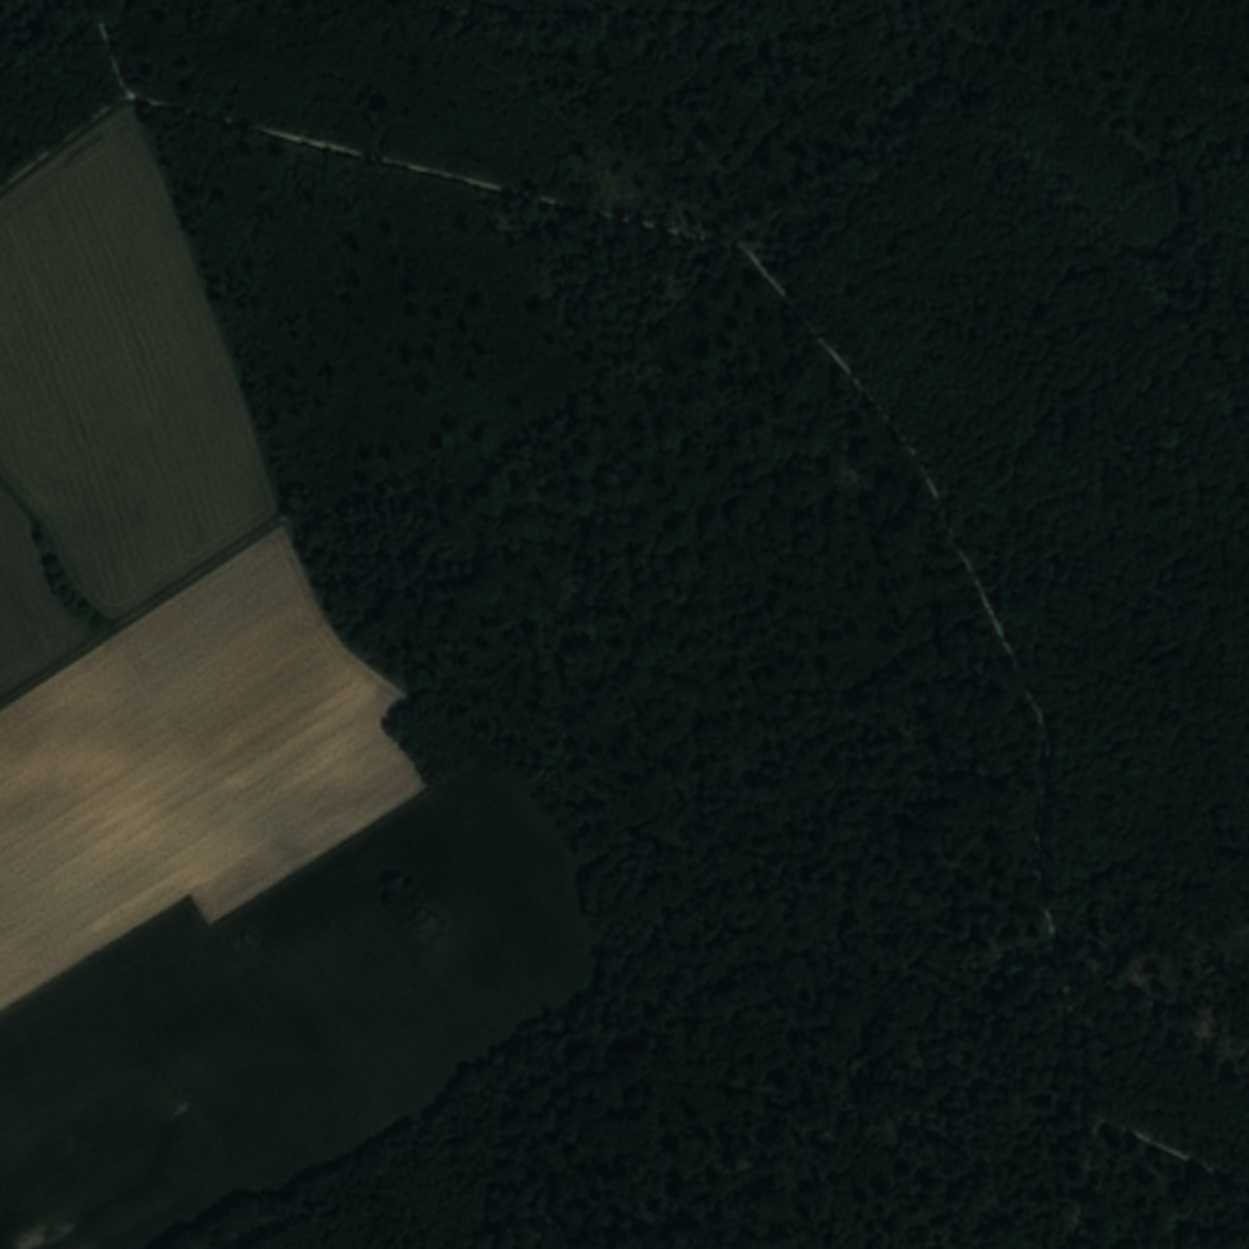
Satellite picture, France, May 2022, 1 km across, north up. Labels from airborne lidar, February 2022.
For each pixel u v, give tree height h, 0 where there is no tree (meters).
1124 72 12
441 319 23
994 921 24
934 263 25
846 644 22
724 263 23
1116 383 27
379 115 29
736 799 23
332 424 7
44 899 0
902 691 26
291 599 0
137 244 0
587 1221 31
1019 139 26
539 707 22
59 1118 0
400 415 10
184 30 9
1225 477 26
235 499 0
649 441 23
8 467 0
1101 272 27
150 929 0
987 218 23
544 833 0
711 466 23
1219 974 29
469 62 8
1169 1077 26
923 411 25
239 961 0
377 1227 18
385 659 20
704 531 22
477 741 18
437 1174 19
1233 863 28
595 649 28
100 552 0
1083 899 26
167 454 0
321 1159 0
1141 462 25
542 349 6
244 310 21
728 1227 30
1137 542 25
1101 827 26
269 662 0
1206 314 29
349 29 15
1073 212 24
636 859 27
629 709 24
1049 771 23
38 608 0
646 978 7
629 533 25
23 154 20
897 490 27
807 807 24
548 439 16
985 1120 26
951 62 21
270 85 9
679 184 18
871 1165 7
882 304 23
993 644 23
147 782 0
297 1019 0
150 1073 0
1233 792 27
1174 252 27
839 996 32
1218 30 16
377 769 0
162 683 0
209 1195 0
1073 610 25
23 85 24
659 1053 27
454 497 20
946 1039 28
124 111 0
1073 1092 22
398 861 0
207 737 0
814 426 26
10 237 0
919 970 25
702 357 28
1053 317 23
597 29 27
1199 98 15
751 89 30
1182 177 15
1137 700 24
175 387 0
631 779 22
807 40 27
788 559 20
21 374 0
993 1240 27
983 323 24
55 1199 0
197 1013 0
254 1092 0
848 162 28
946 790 30
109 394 0
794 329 27
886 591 26
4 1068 0
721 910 15
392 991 0
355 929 0
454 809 0
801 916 27
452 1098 14
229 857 0
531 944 0
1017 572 24
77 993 0
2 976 0
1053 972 28
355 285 24
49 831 0
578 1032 26
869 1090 28
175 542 0
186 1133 0
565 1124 31
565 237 24
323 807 0
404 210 10
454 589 26
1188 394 27
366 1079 0
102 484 0
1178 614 26
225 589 0
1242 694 27
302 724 0
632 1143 28
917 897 26
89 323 0
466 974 0
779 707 24
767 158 25
